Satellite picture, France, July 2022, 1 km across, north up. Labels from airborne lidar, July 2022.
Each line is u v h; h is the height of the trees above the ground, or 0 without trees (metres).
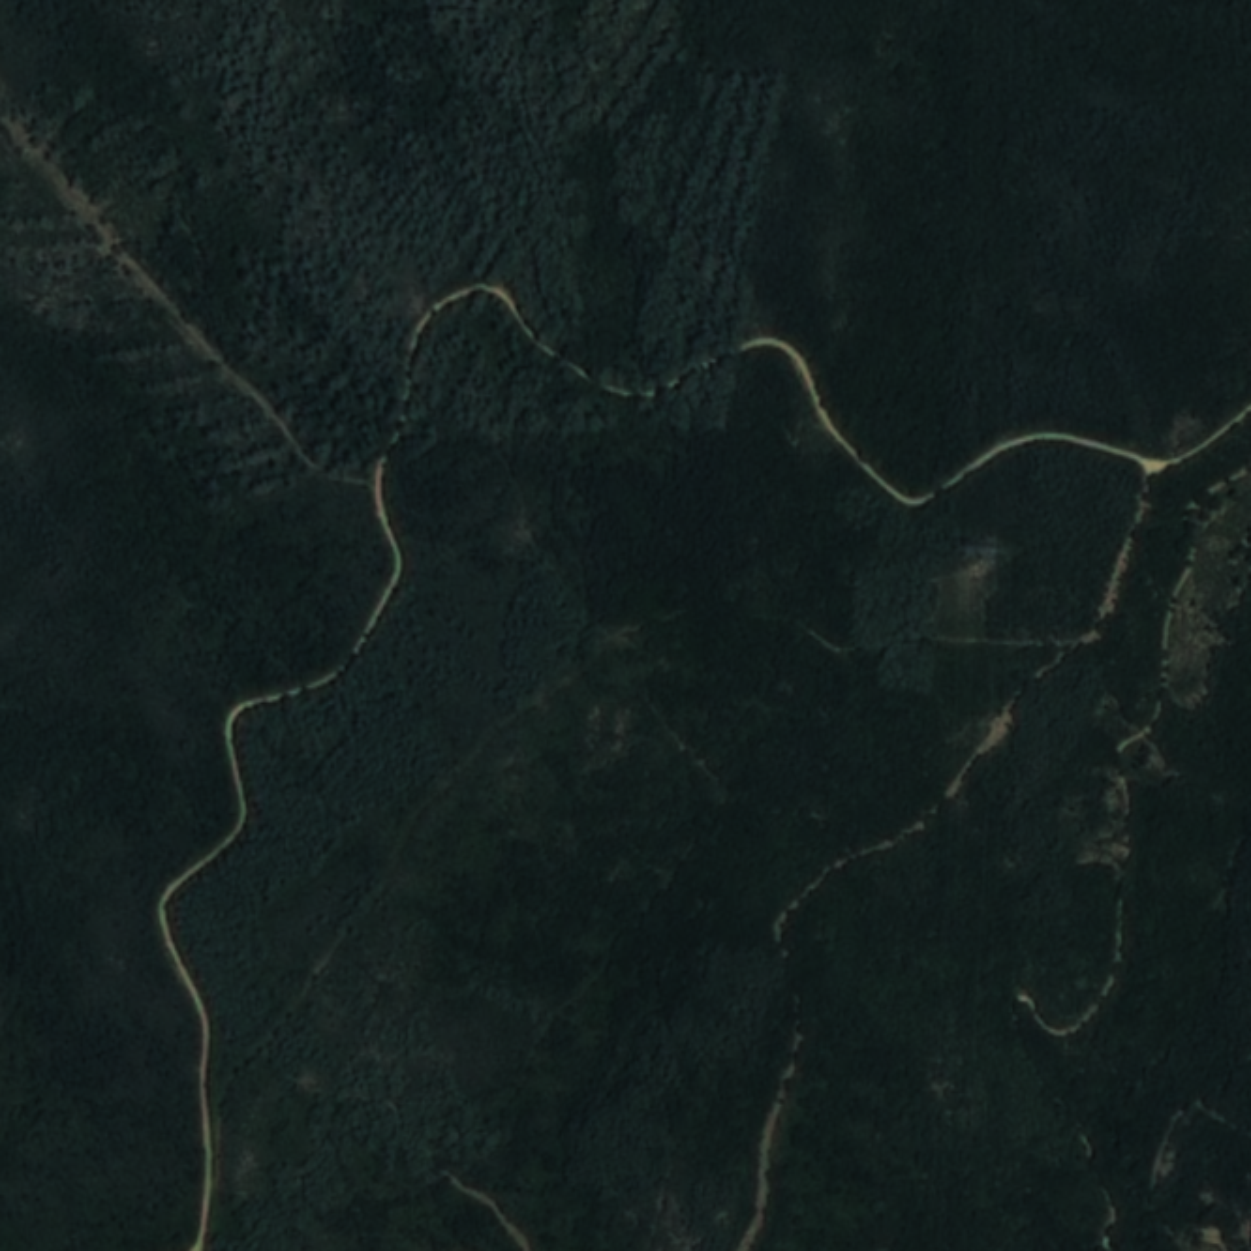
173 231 28
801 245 6
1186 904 8
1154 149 8
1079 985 7
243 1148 0
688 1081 7
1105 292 7
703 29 12
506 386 7
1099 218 6
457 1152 10
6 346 10
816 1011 6
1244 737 9
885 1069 9
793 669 10
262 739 8
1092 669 11
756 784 12
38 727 7
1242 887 12
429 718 12
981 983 11
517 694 9
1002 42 6
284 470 7
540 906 7
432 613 11
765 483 8
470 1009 7
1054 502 8
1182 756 12
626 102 18
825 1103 8
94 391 7
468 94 12
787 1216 7
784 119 6
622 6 19
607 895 9
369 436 16
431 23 20
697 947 9
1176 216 9
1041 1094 12
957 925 8
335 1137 8
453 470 6
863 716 9
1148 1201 9
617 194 11
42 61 7
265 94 17
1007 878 6
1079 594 7
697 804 9
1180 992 17
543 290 19
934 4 8
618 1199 6
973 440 5
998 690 5
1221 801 8
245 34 13
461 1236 7
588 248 11
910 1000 6
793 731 9
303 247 13
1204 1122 7
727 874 8
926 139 10
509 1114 8
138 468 8
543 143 13
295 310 19
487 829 7
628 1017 12
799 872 8
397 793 11
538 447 7
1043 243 6
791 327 8
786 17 8
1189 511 14
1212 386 7
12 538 7
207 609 9
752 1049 10
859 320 13
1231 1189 7
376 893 8
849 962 13
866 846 7
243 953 11
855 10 8
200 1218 0
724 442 11
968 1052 7
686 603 9
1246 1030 8
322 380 8
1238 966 14
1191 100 6
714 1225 10
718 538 9
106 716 8
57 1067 9
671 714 7
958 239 9
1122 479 10
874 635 14
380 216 9
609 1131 13
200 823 8
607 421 19
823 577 8
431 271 7
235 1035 8
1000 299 6
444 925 8
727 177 16
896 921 8
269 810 13
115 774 8
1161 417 7
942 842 8
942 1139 7
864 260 8
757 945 11
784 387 6
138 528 9
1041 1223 9
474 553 7
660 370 19
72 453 7
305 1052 10
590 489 9
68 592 6
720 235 13
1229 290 6
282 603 9
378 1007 7
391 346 15
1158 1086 9
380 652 10
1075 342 11
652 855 9
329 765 9
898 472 14
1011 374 9
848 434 8
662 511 10
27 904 12
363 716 13
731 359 13
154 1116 7
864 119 8
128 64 7
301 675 7
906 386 17
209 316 15
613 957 10
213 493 14
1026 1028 15
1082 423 8
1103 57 8
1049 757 7
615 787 9
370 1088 9
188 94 7
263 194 18
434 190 12
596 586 11
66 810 8
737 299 8
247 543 15
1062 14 7
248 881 11
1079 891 10
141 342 9
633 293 11
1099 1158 14
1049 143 6
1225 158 6
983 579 0
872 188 7
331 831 12
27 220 10
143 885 6
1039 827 10
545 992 8
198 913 9
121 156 7
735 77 14
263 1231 13
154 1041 6
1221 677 9
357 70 13
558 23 6
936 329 14
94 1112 6
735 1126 7
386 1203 8
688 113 21
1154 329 7
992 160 11
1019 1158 7
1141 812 11
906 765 10
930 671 11
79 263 12
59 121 16
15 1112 7
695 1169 6
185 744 10
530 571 9
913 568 9
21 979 10
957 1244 9
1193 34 9
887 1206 8
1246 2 9
